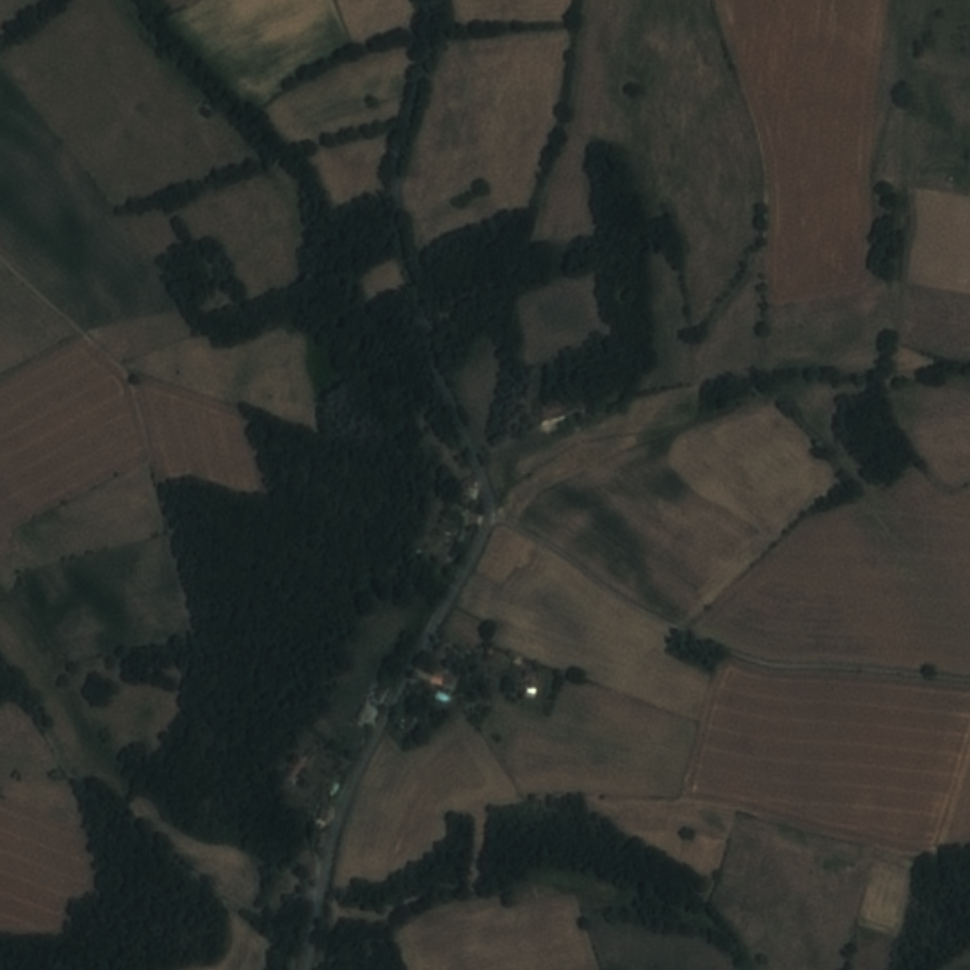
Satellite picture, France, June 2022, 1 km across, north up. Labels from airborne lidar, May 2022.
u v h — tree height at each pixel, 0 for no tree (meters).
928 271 0
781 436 0
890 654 0
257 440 13
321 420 15
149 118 0
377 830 0
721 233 0
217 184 19
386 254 20
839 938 0
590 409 12
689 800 0
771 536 0
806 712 0
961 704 0
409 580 18
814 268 0
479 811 0
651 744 0
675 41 0
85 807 13
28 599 0
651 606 0
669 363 0
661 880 21
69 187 0
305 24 0
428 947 0
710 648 20
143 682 14
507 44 0
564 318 0
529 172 0
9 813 0
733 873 0
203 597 14
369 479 10
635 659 0
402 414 9
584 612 0
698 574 0
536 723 0
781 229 0
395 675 13
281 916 13
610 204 15
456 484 21
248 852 13
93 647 0
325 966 12
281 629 21
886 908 0
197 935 11
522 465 0
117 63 0
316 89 0
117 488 0
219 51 0
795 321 0
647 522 0
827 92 0
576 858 17
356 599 8
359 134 11
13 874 0
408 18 0
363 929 21
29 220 0
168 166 0
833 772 0
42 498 0
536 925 0
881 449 16
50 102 0
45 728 9
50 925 0
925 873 16
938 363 7
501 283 15
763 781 0
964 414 0
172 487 15
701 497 0
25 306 0
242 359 0
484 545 0
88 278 0
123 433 0
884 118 0
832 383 21
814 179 0
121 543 0
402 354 23
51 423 0
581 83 0
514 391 18
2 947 17
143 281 0
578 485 0
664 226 20
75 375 0
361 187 0
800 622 0
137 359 0
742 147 0
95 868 12
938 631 0
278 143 18
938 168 0
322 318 26
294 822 23
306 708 26
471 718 7
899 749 0
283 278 0
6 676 18
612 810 0
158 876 22
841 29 0
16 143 0
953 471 0
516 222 18
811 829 0
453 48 0
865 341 0
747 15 0
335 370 9
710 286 0
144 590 0
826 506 12
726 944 18
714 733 0
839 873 0
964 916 24
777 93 0
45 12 13
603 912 7
